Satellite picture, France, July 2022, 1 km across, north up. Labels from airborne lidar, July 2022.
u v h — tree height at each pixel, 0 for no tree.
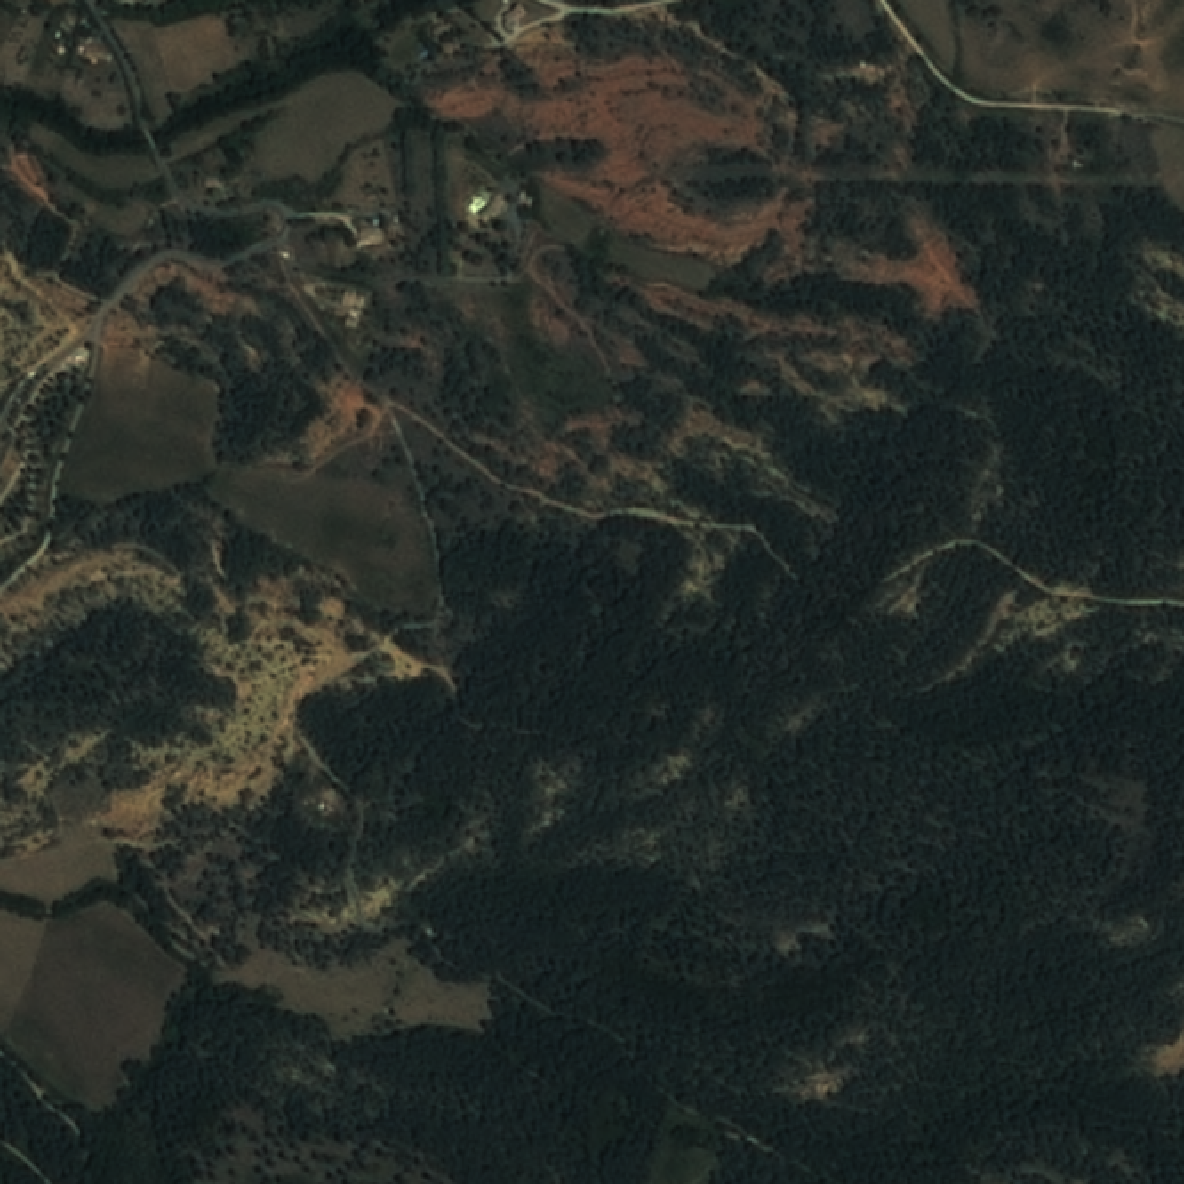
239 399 13
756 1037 17
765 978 15
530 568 13
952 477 15
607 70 0
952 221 7
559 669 16
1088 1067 15
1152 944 8
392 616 14
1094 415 16
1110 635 10
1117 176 0
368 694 11
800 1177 15
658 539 12
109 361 0
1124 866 12
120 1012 0
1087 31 0
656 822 10
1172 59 0
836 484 16
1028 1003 15
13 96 8
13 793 7
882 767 20
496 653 12
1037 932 13
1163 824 12
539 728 16
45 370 5
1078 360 8
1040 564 12
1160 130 0
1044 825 16
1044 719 14
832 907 14
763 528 11
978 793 15
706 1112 13
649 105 0
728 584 13
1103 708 13
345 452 0
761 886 14
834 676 15
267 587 0
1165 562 7
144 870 13
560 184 0
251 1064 17
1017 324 13
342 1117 16
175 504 12
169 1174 9
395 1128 18
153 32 0
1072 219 8
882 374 11
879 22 7
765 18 6
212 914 14
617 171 0
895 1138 17
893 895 13
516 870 10
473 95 0
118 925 0
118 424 0
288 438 11
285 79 12
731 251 0
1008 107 0
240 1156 23
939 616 10
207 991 14
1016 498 16
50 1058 0
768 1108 17
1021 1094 12
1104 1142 10
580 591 17
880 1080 14
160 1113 18
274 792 9
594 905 15
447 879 7
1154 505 19
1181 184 0
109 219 0
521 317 0
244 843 10
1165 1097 11
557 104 0
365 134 0
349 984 0
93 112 0
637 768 12
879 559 13
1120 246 14
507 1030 15
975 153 14
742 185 9
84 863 0
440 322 7
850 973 9
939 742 12
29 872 0
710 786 19
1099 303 13
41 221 11
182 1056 11
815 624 11
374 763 14
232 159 10
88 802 0
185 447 0
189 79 0
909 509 13
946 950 19
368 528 0
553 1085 18
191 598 10
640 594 12
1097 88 0
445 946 13
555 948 16
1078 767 8
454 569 16
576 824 12
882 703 18
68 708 6
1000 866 21
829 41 11
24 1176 19
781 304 14
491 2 0
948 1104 17
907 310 6
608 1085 21
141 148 7
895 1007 13
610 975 9
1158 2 0
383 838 11
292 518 0
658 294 0
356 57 11
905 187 7
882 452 16
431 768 15
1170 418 18
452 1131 22
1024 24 0
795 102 9
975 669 9
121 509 11
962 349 13
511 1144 19
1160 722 16
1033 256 14
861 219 7
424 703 12
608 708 17
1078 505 14
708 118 0
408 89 12
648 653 16
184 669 12
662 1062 16
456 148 0
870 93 8
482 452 9
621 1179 20
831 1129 17
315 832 15
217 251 15
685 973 18
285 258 0
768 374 7
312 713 12
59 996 0
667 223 0
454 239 11
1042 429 14
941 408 10
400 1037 21
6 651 5
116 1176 9
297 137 0
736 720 16
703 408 8
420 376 7
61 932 0
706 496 12
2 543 0
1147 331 15
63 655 15
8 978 0
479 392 12
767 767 17
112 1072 0
